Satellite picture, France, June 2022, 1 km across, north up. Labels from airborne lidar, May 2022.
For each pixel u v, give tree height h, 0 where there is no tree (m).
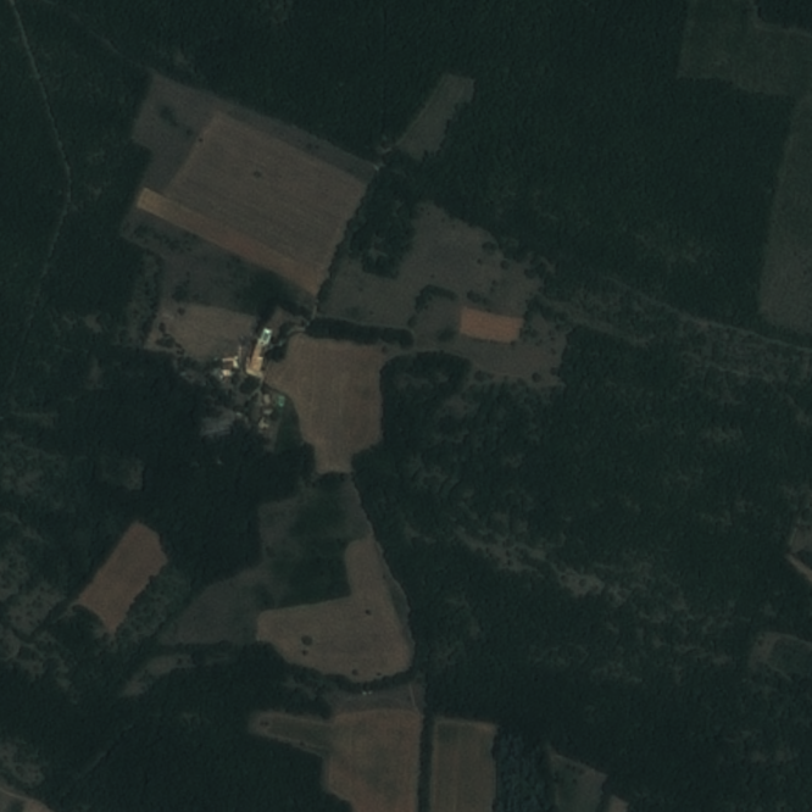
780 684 9
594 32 11
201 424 9
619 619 9
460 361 10
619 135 8
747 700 11
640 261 7
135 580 0
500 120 9
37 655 6
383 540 10
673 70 9
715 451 8
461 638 8
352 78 10
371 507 11
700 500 7
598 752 11
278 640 0
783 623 7
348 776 0
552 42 10
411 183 9
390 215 8
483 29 9
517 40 9
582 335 11
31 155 9
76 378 10
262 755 11
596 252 10
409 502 10
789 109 11
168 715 8
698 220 12
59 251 9
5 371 8
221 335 0
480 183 10
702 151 10
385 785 0
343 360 0
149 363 12
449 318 0
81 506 8
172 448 7
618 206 9
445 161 11
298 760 11
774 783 11
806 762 11
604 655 6
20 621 7
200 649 8
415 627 14
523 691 11
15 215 10
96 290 10
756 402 9
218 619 0
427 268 0
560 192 8
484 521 8
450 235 0
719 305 8
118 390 6
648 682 7
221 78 10
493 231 7
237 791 8
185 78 9
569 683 9
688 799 10
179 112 0
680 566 8
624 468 6
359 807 0
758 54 0
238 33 14
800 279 0
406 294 0
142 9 10
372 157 11
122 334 7
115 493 13
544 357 0
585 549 7
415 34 10
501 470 9
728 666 8
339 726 0
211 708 10
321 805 9
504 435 11
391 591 0
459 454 9
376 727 0
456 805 0
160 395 13
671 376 9
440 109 0
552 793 12
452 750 0
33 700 10
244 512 8
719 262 8
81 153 7
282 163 0
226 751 10
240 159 0
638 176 9
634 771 12
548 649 8
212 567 8
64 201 10
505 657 10
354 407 0
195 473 14
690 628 7
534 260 7
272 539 0
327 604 0
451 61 10
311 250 0
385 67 10
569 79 10
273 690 13
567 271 9
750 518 9
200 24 12
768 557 10
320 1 12
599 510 8
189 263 0
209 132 0
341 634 0
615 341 10
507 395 6
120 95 7
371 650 0
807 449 9
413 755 0
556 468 12
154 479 13
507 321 0
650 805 7
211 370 6
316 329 12
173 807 13
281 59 8
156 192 0
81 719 11
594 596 7
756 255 9
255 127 0
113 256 11
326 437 0
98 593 0
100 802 12
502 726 10
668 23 11
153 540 0
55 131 6
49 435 12
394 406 7
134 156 11
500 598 10
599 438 7
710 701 9
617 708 8
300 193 0
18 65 7
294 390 0
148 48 7
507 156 9
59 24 9
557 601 9
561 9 10
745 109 12
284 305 7
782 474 9
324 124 6
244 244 0
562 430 7
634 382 8
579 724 12
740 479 7
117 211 8
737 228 12
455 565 9
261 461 8
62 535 9
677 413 10
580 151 9
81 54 6
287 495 10
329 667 0
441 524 10
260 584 0
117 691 8
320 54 11
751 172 10
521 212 9
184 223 0
